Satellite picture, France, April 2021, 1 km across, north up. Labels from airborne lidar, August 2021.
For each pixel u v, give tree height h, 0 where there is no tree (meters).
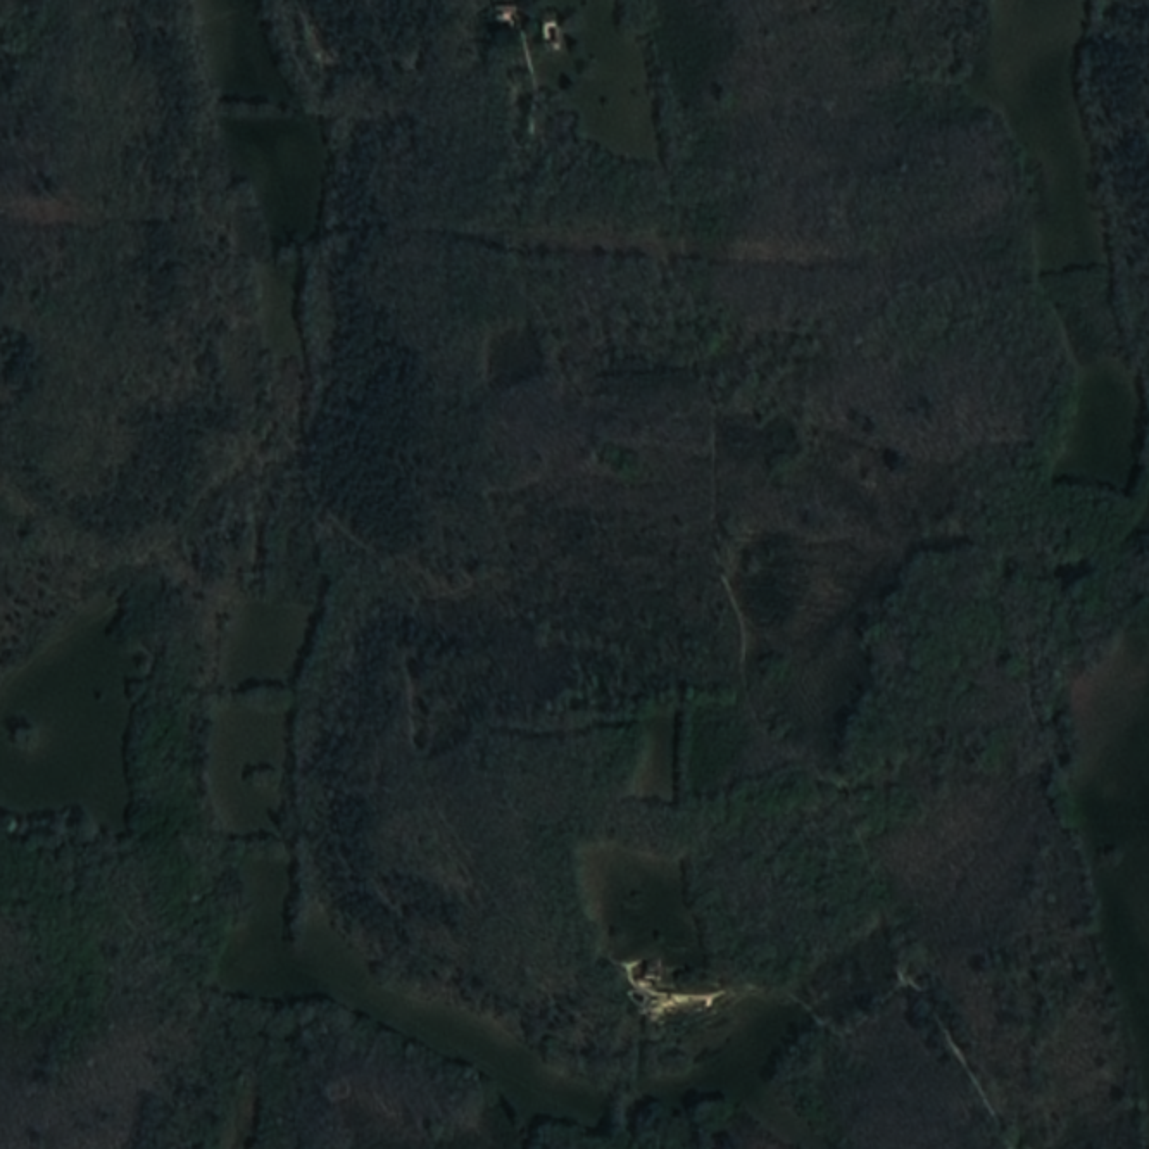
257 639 0
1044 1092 15
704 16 9
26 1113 17
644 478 15
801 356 18
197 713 17
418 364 17
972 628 23
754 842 18
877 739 19
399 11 24
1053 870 8
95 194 13
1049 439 21
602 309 16
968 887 13
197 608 7
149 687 12
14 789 0
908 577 18
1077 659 16
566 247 0
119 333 16
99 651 0
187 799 17
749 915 19
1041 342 15
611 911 0
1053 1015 15
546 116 14
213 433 16
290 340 0
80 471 10
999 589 18
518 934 16
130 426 11
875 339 19
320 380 15
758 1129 9
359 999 0
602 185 19
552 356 16
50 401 10
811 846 16
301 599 6
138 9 8
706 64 8
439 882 16
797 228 12
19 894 20
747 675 6
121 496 13
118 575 7
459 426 12
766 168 18
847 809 16
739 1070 0
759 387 14
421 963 15
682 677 8
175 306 10
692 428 13
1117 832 0
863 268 12
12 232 10
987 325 17
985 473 20
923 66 18
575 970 21
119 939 20
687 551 8
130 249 12
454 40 13
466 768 14
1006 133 16
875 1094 15
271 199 0
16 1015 19
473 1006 18
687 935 0
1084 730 0
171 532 8
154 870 22
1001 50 0
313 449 20
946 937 12
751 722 11
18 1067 15
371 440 17
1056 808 19
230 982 0
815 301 17
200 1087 17
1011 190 14
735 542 16
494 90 20
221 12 0
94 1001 24
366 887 15
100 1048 17
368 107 14
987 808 8
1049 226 0
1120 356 11
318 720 14
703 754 8
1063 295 11
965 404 19
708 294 12
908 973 16
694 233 14
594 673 6
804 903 19
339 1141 14
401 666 11
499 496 12
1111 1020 14
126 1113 18
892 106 11
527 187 12
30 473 14
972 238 16
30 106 10
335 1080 12
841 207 17
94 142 12
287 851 7
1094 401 0
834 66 14
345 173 15
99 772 0
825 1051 11
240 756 0
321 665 15
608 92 0
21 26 18
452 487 8
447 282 13
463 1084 18
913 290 20
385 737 16
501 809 16
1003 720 19
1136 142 18
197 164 9
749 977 24
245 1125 0
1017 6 0
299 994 0
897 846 8
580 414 10
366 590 18
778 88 14
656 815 21
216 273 14
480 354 17
